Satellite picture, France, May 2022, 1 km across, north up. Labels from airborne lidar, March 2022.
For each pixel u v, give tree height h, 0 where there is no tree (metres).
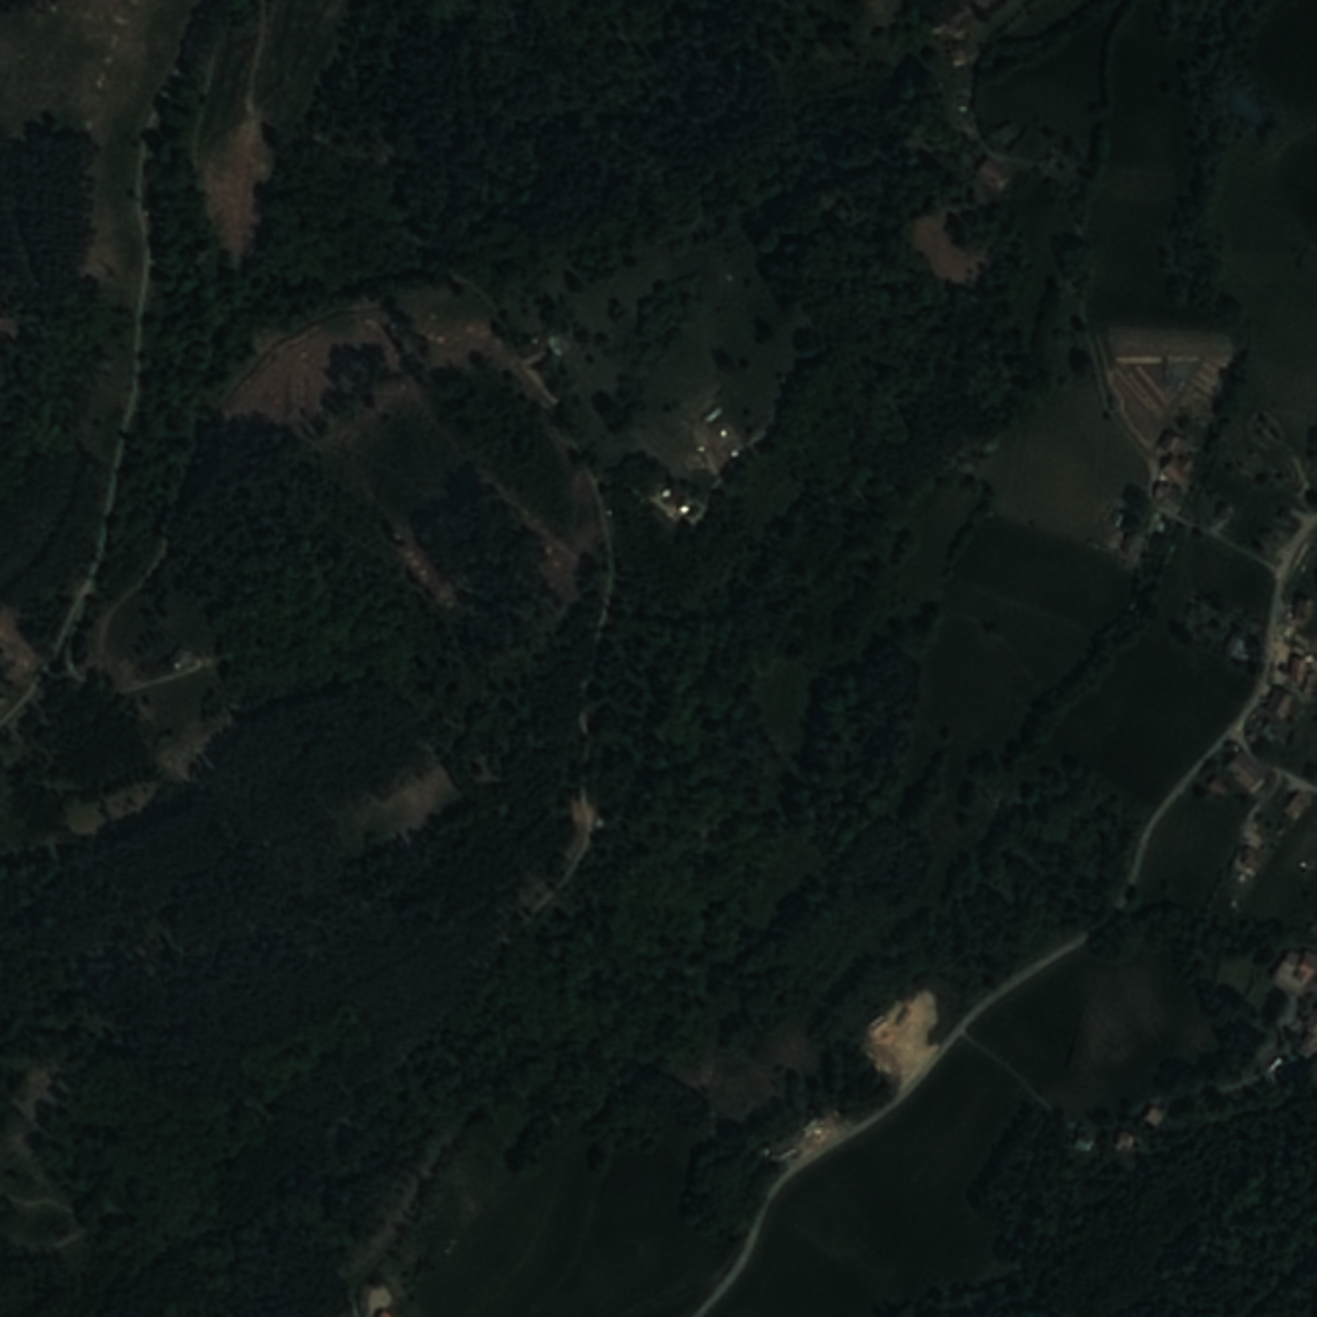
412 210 24
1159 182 0
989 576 0
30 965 26
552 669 14
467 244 25
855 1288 0
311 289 29
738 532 7
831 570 13
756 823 26
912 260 28
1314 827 0
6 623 0
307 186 13
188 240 8
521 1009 24
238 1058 25
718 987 22
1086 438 0
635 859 23
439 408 7
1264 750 15
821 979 19
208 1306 23
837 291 24
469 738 8
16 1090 27
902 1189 0
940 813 0
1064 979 0
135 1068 29
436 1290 0
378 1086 18
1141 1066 0
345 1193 24
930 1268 0
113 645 0
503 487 29
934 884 0
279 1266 29
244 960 33
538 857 16
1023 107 0
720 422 0
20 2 25
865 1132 0
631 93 28
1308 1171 15
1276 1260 12
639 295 0
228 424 29
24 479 22
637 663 21
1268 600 0
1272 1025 16
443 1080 29
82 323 16
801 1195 0
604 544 8
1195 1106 12
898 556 13
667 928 19
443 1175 11
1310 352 0
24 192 26
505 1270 0
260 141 28
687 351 0
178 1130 19
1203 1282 21
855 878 20
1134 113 0
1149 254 0
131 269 0
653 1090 25
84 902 28
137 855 24
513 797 10
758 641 28
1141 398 0
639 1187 0
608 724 16
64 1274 16
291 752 23
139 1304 21
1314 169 0
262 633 12
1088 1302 13
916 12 12
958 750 0
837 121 14
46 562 19
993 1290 7
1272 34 0
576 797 10
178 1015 27
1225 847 0
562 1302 0
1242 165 0
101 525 7
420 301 31
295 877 27
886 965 15
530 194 29
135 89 0
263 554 13
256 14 6
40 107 0
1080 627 0
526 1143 14
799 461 17
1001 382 23
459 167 31
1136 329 0
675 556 7
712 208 21
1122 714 0
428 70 32
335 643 17
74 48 0
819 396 15
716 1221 22
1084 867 8
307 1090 23
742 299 0
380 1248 0
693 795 18
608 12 25
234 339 11
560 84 21
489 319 28
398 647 19
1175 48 0
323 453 21
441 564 26
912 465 29
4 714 0
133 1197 24
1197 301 11
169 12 0
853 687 34
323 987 27
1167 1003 0
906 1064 0
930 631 19
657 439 0
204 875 34
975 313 27
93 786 11
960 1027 0
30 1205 0
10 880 24
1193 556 0
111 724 11
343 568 13
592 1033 22
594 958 17
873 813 22
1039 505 0
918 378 27
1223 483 0
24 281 19
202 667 0
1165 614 0
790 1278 0
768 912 0
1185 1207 16
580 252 15
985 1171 0
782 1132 15
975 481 14
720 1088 0
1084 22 8
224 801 26
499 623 29
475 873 19
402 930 24
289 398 32
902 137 15
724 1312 0
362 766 22
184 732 0
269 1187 15
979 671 0
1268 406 0
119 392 0
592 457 7
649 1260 0
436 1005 24
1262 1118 8
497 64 28
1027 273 9
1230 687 0
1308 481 0
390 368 39
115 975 28
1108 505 0
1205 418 0
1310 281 0
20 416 20
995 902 26
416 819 0
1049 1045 0
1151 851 0
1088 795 17
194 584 6
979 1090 0
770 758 28
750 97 35
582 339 16
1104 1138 7
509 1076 30
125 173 0
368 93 13
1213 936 16
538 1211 0
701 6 11
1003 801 0
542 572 28
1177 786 0
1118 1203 6
